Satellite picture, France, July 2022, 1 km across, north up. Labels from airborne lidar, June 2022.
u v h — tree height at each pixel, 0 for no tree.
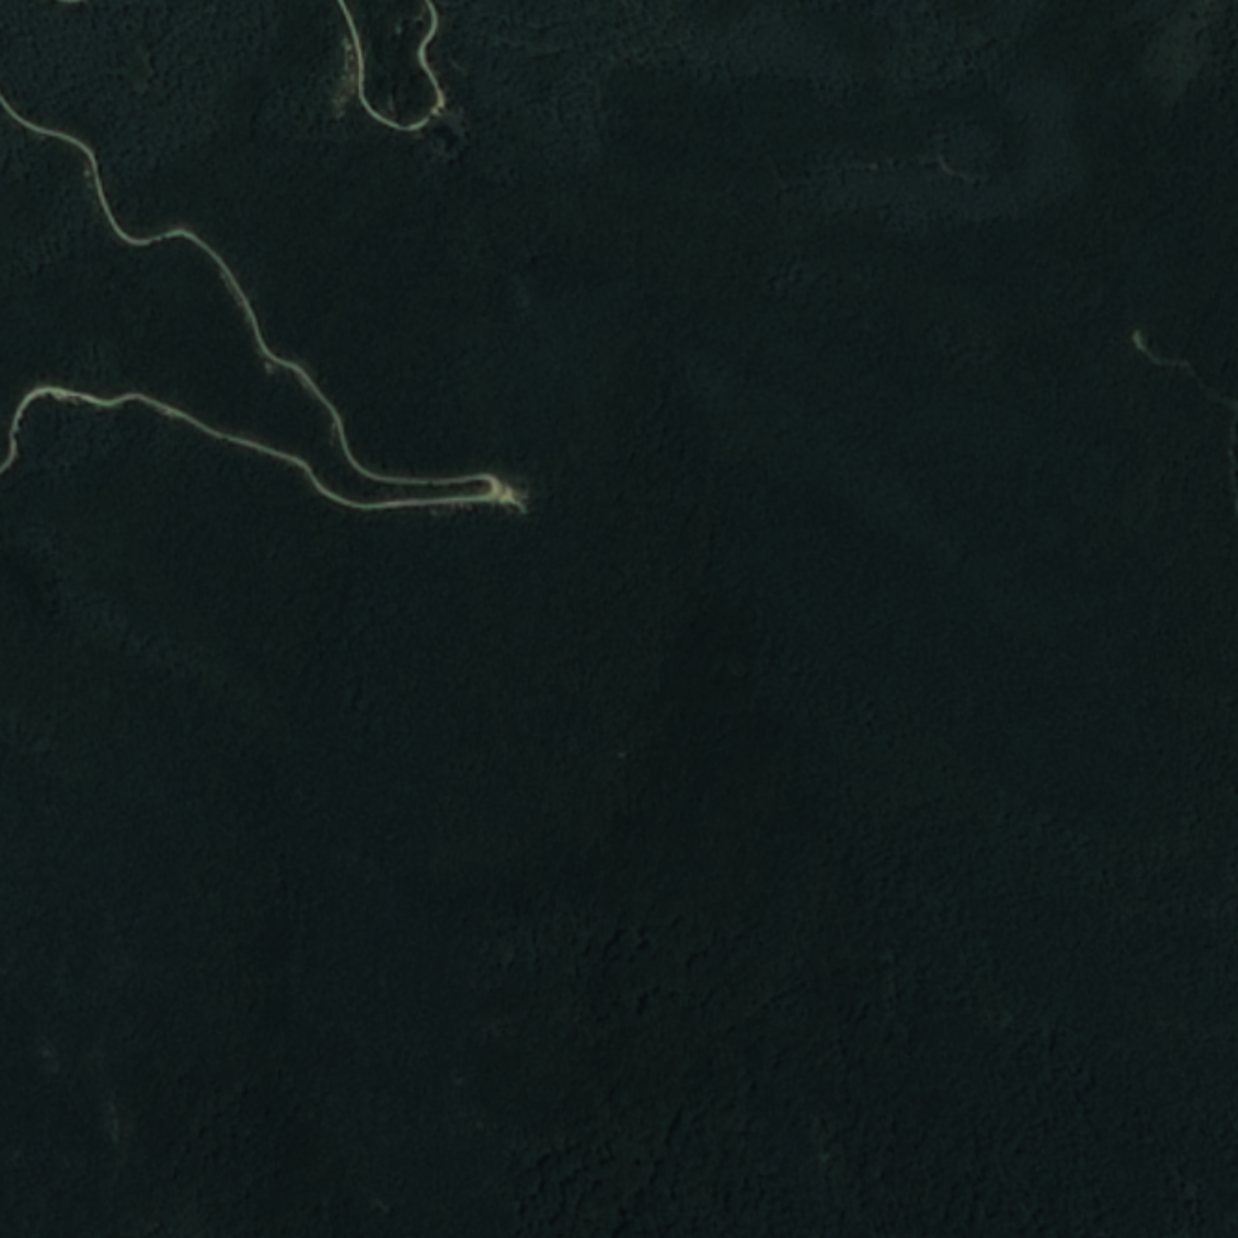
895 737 14
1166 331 15
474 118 8
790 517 13
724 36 10
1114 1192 14
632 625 12
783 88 10
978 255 9
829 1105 17
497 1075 13
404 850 11
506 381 9
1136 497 12
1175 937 13
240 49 16
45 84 16
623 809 13
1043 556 8
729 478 15
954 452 10
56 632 12
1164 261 10
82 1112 12
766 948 15
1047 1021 14
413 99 7
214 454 6
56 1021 8
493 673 16
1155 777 12
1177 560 14
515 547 10
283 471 10
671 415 13
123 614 8
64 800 9
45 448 9
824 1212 13
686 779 17
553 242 14
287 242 11
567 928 12
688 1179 17
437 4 14
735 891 24
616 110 10
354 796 9
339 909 11
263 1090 17
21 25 18
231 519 12
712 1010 23
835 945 20
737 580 11
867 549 11
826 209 10
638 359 15
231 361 12
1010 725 9
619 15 8
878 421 11
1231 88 10
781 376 12
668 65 13
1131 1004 11
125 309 13
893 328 8
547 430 7
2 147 15
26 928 8
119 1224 10
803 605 11
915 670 12
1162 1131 12
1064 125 12
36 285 10
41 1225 13
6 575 7
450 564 12
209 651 6
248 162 8
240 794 14
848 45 9
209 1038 12
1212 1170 13
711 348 11
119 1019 8
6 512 9
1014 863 14
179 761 8
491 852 10
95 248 8
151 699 11
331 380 14
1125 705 11
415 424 11
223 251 9
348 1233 16
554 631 16
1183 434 15
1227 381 15
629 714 13
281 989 14
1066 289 13
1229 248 13
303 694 12
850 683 15
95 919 8
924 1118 9
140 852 6
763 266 8
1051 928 12
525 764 14
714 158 9
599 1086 16
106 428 16
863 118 7
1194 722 17
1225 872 12
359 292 14
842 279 7
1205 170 10
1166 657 16
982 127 14
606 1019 23
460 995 16
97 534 8
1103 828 11
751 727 14
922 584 10
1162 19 10
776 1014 18
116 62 20
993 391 10
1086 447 9
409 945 8
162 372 9
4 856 6
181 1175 16
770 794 20
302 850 8
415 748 11
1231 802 14
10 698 7
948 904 13
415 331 13
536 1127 16
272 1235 15
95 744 7
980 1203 18
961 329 7
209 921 10
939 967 14
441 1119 9
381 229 15
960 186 11
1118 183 12
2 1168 11
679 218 7
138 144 17
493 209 14
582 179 8
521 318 6
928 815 14
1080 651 7
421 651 10
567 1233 23
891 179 13
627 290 8
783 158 9
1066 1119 14
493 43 15
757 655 18
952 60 17
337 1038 13
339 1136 10
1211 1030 13
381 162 9
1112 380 9
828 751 14
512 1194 13
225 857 11
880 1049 16
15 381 9
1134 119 13
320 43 10
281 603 14
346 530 15
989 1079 12
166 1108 14
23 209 7
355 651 14
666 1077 10
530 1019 9
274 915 16
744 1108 11
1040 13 15
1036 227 10
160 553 12
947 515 11
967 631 11
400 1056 9
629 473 17
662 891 23
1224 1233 6
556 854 14
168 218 9
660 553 13
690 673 20
